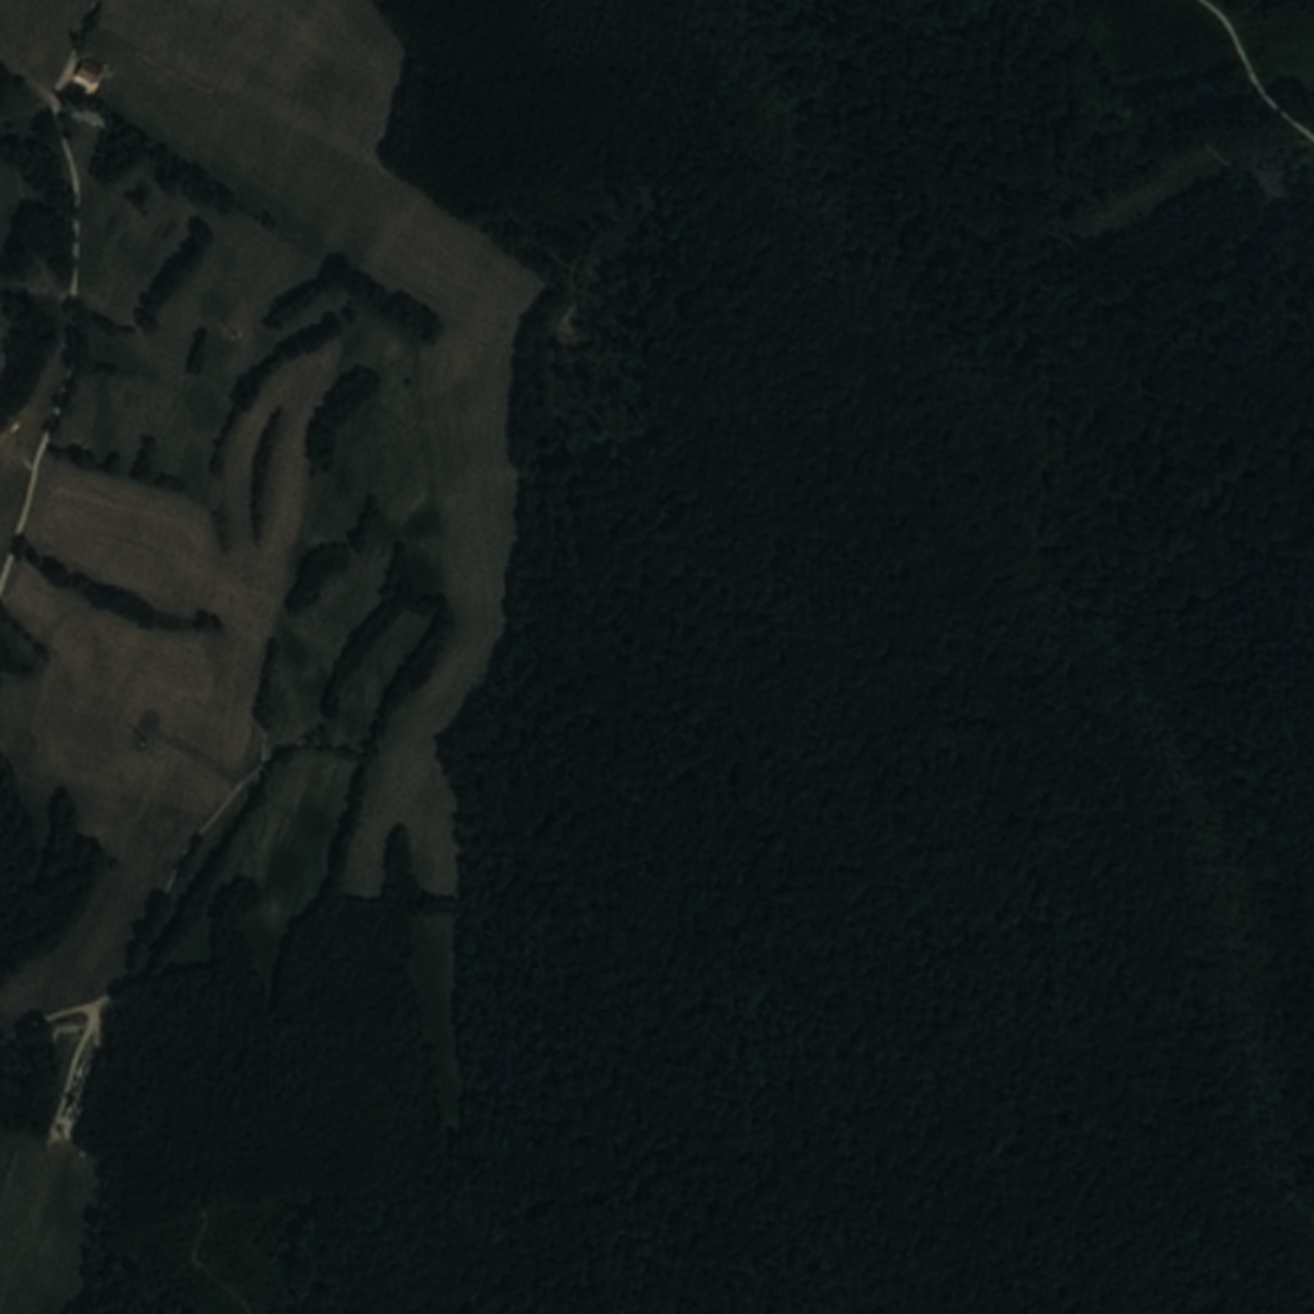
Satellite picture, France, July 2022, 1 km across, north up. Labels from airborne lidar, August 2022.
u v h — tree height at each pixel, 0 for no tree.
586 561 23
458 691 0
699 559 17
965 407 22
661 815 18
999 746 19
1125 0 7
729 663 22
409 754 0
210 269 0
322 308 0
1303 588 27
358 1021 15
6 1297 0
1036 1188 19
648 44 14
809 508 21
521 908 24
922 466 20
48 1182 0
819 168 24
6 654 7
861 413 23
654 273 15
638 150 11
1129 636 34
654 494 26
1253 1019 19
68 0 0
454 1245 17
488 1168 21
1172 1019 17
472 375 0
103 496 0
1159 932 17
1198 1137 17
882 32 28
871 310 25
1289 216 18
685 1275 20
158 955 11
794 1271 18
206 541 0
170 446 0
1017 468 20
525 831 23
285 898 0
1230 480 29
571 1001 24
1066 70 21
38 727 0
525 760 27
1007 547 15
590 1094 22
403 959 7
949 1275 17
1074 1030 17
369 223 0
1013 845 20
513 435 14
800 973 20
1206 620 20
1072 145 23
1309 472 27
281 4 0
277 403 0
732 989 25
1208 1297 17
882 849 21
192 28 0
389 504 0
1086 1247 19
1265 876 26
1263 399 30
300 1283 17
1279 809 28
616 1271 29
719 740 19
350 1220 12
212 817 0
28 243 14
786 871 19
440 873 0
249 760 0
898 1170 18
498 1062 22
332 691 9
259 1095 11
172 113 0
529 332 13
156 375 0
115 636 0
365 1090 13
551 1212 20
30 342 16
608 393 14
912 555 21
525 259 16
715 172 19
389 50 0
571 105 16
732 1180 26
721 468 20
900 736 20
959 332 32
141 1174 14
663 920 19
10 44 0
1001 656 20
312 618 0
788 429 20
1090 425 28
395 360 0
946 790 20
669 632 22
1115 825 23
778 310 19
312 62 0
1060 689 27
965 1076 18
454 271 0
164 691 0
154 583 0
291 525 0
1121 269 17
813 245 14
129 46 0
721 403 20
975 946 20
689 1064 21
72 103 13
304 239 0
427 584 0
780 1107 24
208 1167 13
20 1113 18
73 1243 0
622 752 27
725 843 23
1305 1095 28
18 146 15
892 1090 18
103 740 0
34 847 15
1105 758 19
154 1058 14
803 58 29
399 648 0
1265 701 30
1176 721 24
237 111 0
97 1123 13
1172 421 26
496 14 13
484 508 0
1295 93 29
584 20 16
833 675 17
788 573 28
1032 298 27
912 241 30
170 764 0
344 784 0
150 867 0
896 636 20
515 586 14
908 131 25
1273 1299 13
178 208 0
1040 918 19
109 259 0
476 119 19
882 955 18
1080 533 44
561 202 0
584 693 28
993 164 34
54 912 18
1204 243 14
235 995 18
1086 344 28
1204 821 13
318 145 0
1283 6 14
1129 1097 18
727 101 13
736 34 11
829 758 17
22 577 0
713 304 21
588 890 22
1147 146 26
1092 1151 16
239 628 0
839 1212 18
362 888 0
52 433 11
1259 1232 18
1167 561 30
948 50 22
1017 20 20
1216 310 27
